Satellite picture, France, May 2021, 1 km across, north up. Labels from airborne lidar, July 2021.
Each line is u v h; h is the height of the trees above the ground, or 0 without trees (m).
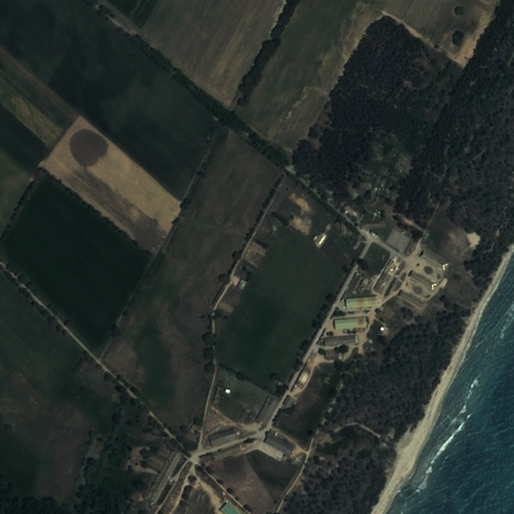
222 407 0
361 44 12
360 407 17
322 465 24
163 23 0
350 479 18
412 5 0
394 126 7
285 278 0
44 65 0
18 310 0
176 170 0
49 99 0
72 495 0
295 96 0
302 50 0
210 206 0
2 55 0
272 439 0
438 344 12
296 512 19
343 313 9
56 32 0
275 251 0
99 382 0
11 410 0
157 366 0
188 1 0
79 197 12
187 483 0
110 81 0
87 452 0
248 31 0
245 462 0
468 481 0
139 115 0
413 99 6
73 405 0
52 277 0
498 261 6
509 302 0
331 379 0
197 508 0
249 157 0
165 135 0
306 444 0
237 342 0
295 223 0
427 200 10
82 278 0
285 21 11
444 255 0
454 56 0
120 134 0
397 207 12
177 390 0
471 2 0
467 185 20
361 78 13
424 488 0
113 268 0
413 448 0
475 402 0
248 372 0
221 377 0
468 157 12
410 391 12
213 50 0
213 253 0
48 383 0
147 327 0
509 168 16
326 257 0
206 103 18
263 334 0
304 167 17
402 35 14
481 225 16
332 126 10
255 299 0
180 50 0
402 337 17
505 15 8
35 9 0
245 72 0
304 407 0
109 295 0
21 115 0
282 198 0
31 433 0
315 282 0
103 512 7
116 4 0
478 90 12
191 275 0
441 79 7
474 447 0
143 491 24
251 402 0
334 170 7
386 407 18
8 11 0
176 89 0
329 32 0
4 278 0
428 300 0
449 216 7
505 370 0
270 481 0
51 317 10
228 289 0
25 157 0
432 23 0
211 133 0
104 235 0
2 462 0
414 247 0
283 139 0
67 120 0
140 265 0
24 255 0
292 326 0
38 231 0
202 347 0
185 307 0
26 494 0
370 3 0
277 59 0
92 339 0
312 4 0
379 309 8
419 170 11
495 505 0
